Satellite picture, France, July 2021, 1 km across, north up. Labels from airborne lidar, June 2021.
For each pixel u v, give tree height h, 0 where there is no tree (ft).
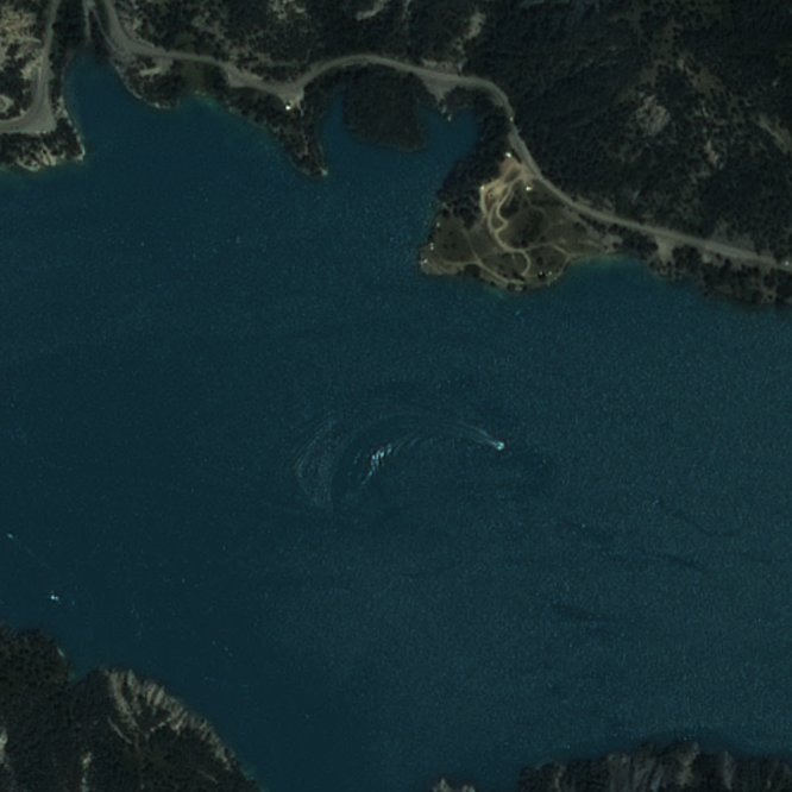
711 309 0
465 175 25
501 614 0
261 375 0
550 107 36
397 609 0
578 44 29
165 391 0
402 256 0
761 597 0
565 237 0
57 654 20
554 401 0
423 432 0
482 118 27
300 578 0
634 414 0
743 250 0
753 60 55
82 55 0
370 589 0
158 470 0
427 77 0
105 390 0
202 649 0
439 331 0
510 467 0
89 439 0
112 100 0
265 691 0
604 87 22
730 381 0
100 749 20
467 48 61
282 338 0
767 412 0
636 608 0
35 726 25
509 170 0
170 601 0
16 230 0
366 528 0
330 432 0
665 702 0
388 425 0
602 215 0
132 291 0
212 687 0
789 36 49
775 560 0
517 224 0
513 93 25
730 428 0
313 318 0
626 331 0
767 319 0
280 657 0
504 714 0
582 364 0
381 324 0
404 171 0
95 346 0
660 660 0
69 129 24
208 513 0
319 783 0
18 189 0
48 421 0
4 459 0
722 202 22
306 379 0
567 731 0
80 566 0
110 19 0
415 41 55
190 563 0
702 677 0
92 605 0
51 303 0
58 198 0
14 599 0
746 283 43
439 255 0
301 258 0
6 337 0
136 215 0
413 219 0
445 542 0
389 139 30
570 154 35
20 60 20
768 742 0
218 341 0
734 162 27
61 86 37
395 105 30
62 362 0
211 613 0
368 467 0
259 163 0
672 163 20
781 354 0
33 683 26
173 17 29
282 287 0
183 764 24
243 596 0
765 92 25
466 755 0
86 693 23
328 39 59
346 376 0
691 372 0
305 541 0
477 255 0
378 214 0
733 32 27
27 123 0
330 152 0
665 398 0
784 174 41
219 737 0
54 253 0
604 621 0
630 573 0
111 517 0
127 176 0
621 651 0
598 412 0
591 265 0
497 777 0
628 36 27
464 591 0
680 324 0
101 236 0
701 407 0
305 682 0
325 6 23
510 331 0
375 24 33
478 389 0
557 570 0
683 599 0
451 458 0
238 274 0
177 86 45
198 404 0
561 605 0
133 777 23
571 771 28
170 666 0
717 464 0
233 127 0
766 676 0
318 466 0
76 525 0
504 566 0
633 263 0
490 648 0
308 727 0
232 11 23
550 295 0
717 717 0
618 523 0
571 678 0
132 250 0
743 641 0
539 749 0
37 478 0
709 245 0
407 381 0
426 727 0
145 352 0
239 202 0
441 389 0
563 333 0
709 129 22
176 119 0
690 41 30
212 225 0
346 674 0
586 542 0
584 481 0
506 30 59
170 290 0
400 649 0
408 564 0
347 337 0
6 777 20
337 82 61
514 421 0
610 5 32
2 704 28
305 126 19
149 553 0
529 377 0
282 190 0
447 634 0
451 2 37
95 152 0
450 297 0
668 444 0
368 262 0
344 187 0
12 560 0
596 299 0
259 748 0
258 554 0
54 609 0
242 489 0
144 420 0
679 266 44
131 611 0
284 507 0
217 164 0
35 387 0
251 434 0
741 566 0
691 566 0
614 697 0
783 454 0
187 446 0
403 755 0
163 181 0
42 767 25
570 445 0
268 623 0
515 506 0
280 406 0
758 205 37
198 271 0
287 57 33
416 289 0
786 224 27
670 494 0
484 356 0
